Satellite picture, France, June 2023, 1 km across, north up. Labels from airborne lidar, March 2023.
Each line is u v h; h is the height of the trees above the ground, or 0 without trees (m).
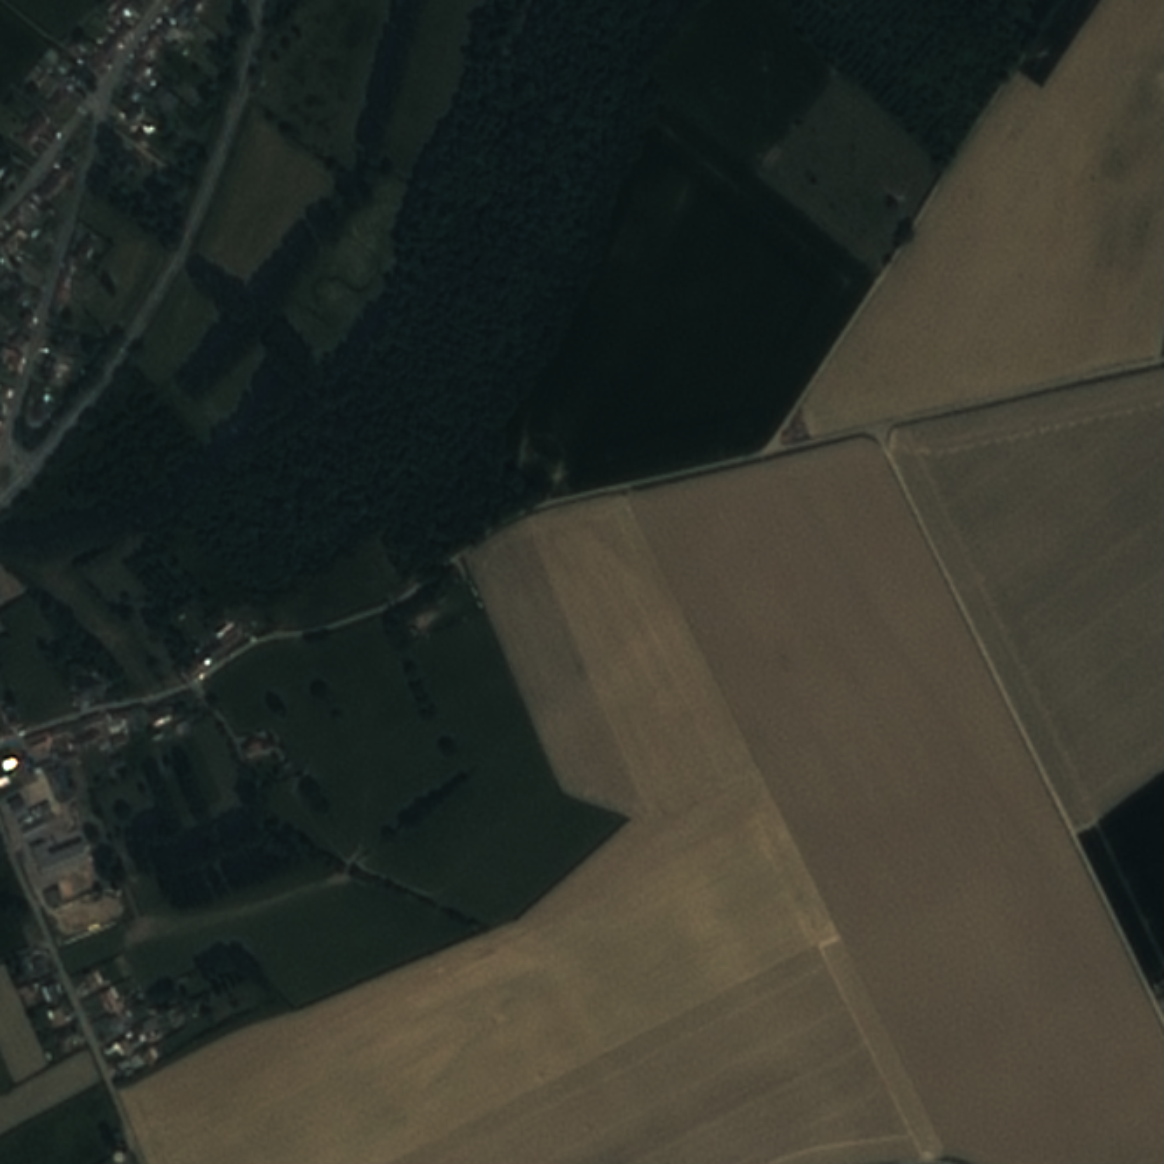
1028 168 0
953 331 0
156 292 0
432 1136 0
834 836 0
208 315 0
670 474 0
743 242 0
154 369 0
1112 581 0
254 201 0
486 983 0
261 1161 0
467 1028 0
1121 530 0
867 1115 0
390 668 0
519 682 0
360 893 0
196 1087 0
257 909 0
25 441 14
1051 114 0
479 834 0
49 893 0
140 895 0
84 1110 0
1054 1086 0
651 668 0
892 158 0
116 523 31
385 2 0
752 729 0
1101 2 0
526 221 18
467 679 0
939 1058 0
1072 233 0
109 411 7
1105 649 0
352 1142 0
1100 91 0
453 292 21
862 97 0
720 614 0
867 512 0
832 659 0
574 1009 0
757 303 0
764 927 0
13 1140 0
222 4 0
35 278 0
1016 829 0
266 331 33
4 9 0
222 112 0
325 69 0
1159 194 0
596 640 0
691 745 0
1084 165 0
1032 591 0
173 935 0
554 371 0
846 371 0
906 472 0
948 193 0
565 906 0
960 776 0
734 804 0
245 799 19
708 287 0
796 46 0
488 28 14
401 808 0
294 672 0
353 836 0
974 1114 0
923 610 0
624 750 0
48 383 6
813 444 0
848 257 0
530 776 0
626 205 0
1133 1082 0
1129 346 0
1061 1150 0
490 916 0
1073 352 0
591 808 0
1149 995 0
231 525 20
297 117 0
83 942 0
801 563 0
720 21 0
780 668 0
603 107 20
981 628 0
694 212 0
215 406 0
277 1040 0
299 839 6
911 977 0
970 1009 0
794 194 0
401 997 0
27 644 0
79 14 0
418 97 0
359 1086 0
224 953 14
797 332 0
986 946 0
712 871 0
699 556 0
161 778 25
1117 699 0
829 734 0
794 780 0
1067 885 0
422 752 0
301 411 35
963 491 0
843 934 0
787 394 0
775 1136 0
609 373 0
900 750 0
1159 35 0
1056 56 0
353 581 0
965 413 0
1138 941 0
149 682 0
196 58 0
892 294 0
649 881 0
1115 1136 0
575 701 0
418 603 9
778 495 0
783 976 0
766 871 0
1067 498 0
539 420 0
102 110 0
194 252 0
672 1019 0
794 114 0
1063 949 0
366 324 7
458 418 20
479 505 19
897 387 0
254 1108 0
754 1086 0
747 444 0
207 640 0
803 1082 0
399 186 0
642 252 0
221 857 0
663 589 0
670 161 0
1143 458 0
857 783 0
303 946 0
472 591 0
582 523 0
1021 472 0
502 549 0
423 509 22
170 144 8
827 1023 0
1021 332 0
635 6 22
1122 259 0
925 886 0
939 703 0
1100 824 0
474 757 0
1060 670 0
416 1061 0
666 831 0
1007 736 0
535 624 0
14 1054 0
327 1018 0
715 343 0
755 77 0
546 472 0
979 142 0
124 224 0
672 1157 0
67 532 34
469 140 24
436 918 0
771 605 0
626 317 0
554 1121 0
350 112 0
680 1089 0
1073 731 0
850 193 0
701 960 0
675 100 0
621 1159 0
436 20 0
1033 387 0
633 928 0
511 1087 0
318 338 0
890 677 0
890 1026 0
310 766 0
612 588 0
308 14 0
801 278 0
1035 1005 0
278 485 22
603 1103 0
